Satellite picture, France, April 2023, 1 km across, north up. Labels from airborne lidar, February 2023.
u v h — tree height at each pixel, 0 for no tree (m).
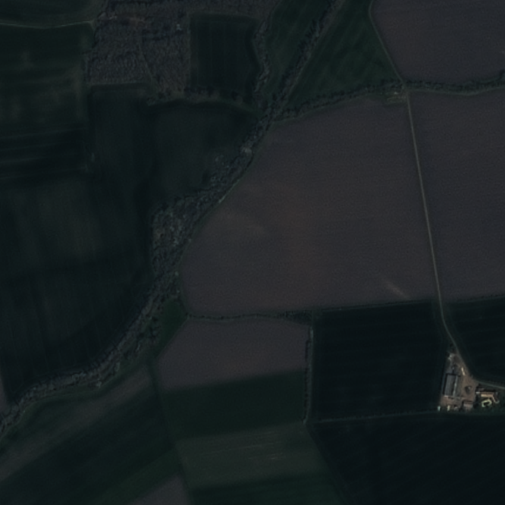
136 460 0
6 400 0
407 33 0
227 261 0
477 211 0
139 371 0
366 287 0
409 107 0
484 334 0
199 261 0
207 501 0
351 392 0
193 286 0
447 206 0
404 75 0
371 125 0
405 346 0
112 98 0
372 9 0
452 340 0
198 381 0
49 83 0
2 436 17
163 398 0
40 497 0
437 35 0
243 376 0
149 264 0
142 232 0
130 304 0
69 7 0
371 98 0
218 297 0
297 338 0
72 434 0
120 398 0
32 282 0
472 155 0
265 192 0
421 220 0
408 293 0
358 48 0
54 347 0
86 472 0
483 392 0
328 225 0
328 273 0
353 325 0
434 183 0
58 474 0
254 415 0
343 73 0
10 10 0
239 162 7
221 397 0
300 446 0
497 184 0
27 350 0
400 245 0
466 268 0
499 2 0
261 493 0
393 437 0
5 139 0
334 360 0
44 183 0
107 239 0
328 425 0
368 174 0
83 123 0
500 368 0
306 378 8
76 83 0
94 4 0
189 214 7
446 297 0
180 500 0
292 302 0
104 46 18
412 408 0
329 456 0
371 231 0
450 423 0
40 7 0
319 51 0
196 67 0
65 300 0
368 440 0
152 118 0
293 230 0
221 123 0
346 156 0
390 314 0
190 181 0
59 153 0
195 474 0
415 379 0
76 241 0
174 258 18
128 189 0
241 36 0
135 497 0
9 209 0
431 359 0
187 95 20
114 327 0
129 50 18
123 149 0
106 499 0
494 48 0
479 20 0
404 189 0
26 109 0
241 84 0
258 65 0
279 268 0
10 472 0
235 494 0
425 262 0
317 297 0
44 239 0
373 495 0
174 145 0
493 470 0
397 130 0
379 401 0
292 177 0
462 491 0
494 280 0
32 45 0
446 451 0
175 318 0
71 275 0
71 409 0
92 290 0
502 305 0
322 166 0
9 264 0
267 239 0
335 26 0
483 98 0
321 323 0
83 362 0
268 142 0
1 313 0
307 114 0
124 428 0
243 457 0
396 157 0
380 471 0
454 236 0
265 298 0
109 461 0
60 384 19
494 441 0
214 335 0
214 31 0
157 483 0
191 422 0
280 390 0
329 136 0
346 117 0
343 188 0
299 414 0
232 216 0
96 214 0
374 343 0
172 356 0
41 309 0
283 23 0
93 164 0
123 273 0
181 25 9
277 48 0
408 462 0
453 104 0
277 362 0
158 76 21
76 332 0
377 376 0
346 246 0
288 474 0
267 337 0
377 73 0
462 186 0
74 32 0
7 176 0
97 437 0
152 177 0
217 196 7
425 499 0
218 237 0
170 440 0
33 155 0
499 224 0
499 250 0
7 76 0
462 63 0
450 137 0
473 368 0
